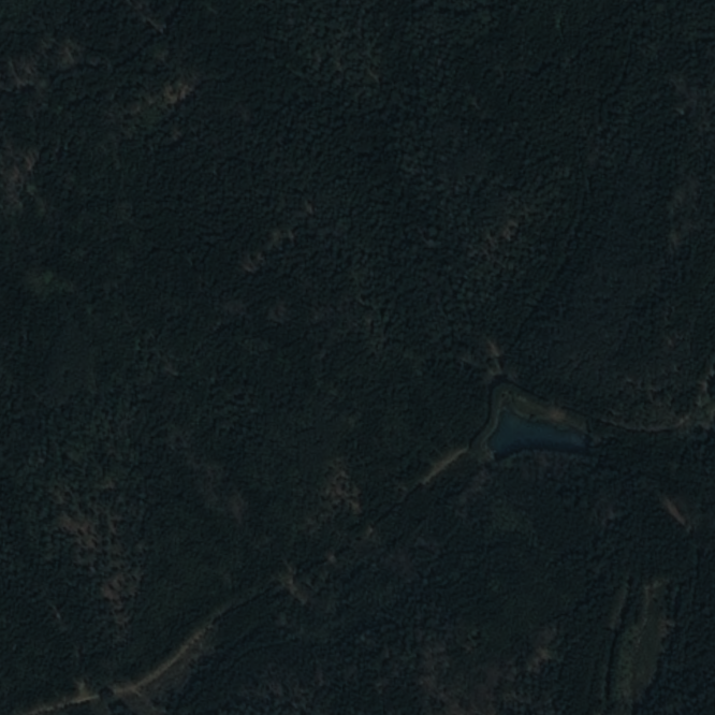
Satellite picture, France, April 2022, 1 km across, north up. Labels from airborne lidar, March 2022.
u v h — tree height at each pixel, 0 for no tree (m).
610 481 21
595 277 19
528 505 10
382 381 13
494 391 14
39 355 21
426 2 27
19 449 21
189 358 16
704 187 26
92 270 19
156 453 17
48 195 22
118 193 16
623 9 24
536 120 21
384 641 19
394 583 19
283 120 23
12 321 24
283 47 18
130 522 15
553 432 0
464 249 15
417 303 34
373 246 22
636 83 14
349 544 12
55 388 17
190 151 24
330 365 17
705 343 25
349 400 13
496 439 0
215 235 20
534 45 20
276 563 21
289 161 22
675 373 18
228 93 24
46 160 19
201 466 26
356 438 16
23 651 16
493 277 19
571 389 18
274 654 15
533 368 17
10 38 19
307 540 13
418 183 11
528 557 12
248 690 7
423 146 11
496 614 13
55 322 17
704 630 23
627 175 22
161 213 21
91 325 19
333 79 9
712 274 16
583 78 27
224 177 27
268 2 15
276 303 21
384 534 19
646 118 20
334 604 13
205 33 24
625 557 22
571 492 17
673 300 23
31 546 24
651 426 14
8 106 24
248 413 14
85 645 26
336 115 30
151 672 18
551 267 27
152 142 22
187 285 23
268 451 19
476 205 15
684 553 27
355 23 9
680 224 22
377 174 27
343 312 22
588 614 27
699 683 18
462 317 25
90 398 25
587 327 16
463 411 26
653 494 20
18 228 16
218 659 9
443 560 13
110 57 22
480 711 7
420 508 18
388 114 24
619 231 21
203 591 17
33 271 24
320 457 18
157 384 15
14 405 24
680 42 25
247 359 17
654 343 25
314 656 11
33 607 22
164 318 19
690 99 21
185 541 21
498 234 10
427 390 25
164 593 19
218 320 19
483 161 20
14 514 25
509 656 12
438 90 20
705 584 24
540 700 11
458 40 30
